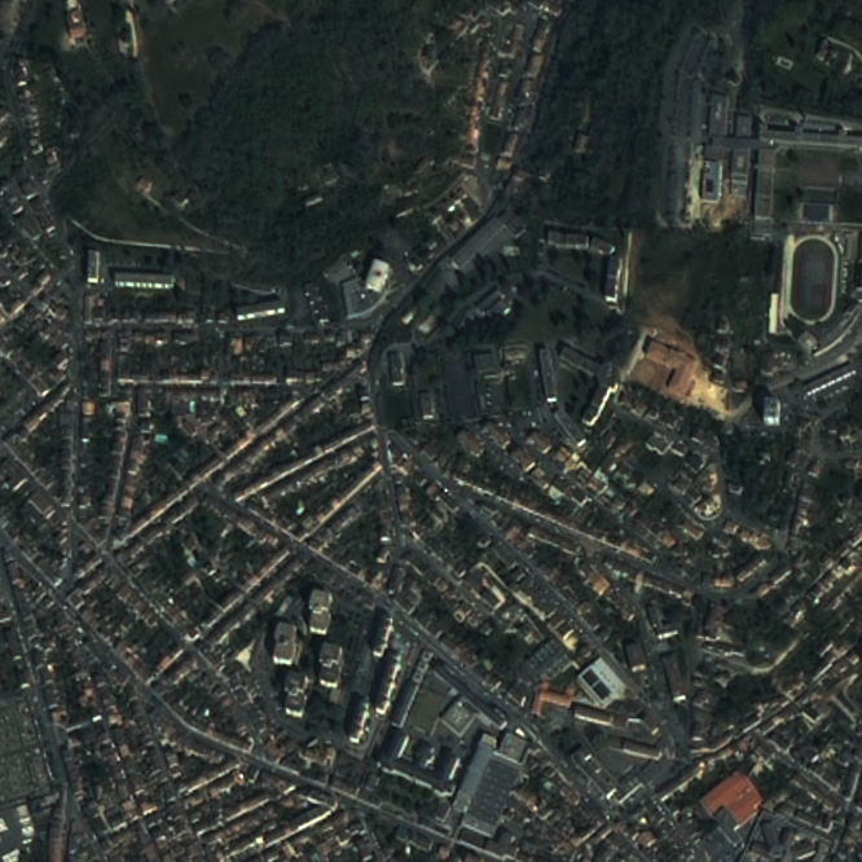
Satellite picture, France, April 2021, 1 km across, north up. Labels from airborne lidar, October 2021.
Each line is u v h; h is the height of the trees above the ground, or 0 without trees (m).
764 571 0
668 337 0
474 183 0
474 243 0
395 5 23
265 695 0
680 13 17
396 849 11
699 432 0
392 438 0
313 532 0
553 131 12
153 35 15
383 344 13
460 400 0
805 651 12
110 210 0
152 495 9
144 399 0
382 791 9
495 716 0
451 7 20
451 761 0
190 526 13
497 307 0
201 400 7
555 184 10
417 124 11
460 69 11
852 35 21
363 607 12
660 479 0
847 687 0
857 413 10
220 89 11
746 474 20
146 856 0
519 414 0
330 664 0
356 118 25
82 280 7
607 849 0
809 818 0
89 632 10
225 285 8
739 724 0
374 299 0
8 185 0
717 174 0
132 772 0
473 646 7
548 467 0
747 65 7
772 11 16
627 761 0
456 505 0
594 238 0
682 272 0
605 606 8
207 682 0
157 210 6
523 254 23
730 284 0
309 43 24
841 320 0
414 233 6
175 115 0
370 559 8
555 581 0
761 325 7
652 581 0
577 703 0
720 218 0
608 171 13
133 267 0
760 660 11
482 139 0
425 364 12
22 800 0
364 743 0
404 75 13
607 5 14
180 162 17
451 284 0
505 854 0
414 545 0
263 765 0
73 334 0
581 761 0
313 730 11
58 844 0
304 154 24
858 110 22
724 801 0
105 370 0
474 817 0
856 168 0
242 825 0
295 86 26
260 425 0
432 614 0
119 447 0
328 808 0
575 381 0
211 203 13
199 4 13
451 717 0
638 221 11
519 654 18
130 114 17
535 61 0
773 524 14
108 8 0
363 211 15
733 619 17
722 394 0
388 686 0
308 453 0
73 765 0
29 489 0
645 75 18
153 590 0
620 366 20
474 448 0
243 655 0
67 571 0
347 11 22
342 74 25
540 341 0
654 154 16
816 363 0
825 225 0
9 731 0
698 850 0
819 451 0
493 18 0
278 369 9
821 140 0
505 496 0
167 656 0
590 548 0
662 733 0
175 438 10
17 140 8
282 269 11
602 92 15
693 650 0
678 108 8
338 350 5
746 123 0
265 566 0
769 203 0
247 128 19
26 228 0
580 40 9
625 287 0
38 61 14
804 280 0
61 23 0
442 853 0
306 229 13
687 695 0
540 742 0
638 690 0
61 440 6
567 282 0
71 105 7
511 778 0
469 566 7
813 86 0
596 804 10
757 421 0
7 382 12
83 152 12
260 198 20
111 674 0
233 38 0
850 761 0
